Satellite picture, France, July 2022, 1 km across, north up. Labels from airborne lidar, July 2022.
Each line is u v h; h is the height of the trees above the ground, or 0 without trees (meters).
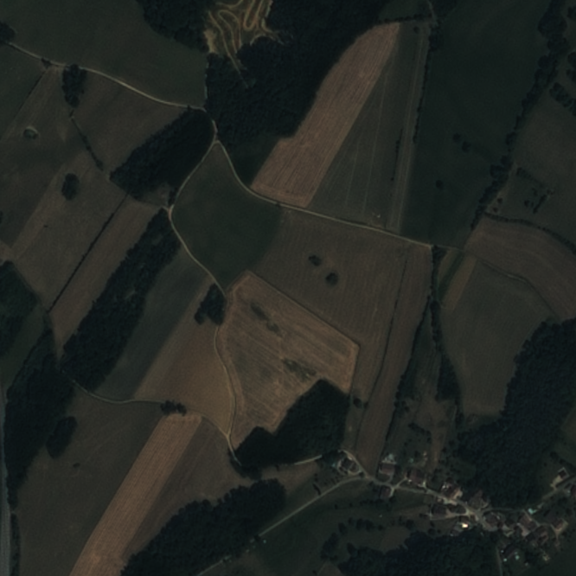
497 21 0
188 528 23
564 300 0
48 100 0
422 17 10
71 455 0
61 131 0
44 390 22
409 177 0
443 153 0
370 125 0
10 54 0
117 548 0
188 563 19
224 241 0
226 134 18
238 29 0
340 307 0
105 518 0
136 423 0
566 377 18
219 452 0
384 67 0
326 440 13
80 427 0
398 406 11
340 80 0
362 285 0
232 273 0
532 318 0
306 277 0
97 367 25
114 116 0
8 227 0
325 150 0
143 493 0
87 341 23
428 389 0
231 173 0
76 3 0
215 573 0
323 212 0
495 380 0
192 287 0
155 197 0
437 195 0
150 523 0
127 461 0
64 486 0
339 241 0
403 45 0
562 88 14
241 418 0
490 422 0
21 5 0
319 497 0
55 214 0
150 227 13
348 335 0
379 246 0
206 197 0
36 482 0
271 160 0
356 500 0
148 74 0
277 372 0
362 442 0
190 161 6
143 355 0
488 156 0
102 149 0
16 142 0
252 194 0
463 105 0
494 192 9
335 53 22
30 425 20
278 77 20
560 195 0
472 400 0
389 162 0
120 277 19
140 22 0
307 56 23
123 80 0
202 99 0
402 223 0
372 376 0
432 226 0
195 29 24
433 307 15
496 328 0
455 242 0
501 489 19
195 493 0
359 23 22
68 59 0
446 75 0
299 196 0
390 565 26
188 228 0
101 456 0
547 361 16
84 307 0
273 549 0
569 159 0
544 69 15
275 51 25
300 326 0
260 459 11
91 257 0
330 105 0
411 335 0
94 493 0
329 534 0
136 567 10
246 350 0
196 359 0
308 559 0
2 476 0
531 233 0
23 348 0
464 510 0
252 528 22
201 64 0
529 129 0
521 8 0
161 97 0
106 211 0
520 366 23
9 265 12
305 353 0
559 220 0
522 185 0
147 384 0
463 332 0
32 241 0
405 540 0
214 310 23
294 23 23
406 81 0
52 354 14
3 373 0
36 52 0
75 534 0
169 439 0
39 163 0
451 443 11
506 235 0
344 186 0
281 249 0
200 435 0
